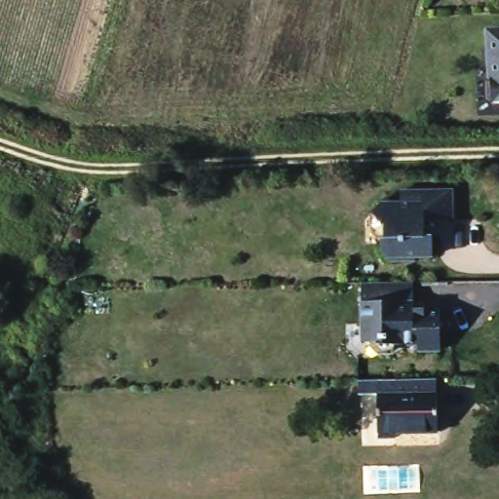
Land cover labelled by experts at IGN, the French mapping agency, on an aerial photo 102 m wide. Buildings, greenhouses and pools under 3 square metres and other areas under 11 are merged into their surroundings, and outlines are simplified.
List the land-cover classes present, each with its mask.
<instances>
[{"label":"herbaceous vegetation","instance_id":"1","mask_svg":"<svg viewBox=\"0 0 499 499\"><path fill-rule=\"evenodd\" d=\"M442 4H470L472 12H446L444 16H439L433 10L423 12V6L429 4V0H419L411 27L415 41L407 60V72L403 74V86H400L398 94V109L394 113L405 121L409 115L427 109L433 101L450 103L454 97L464 94L476 99L474 72H462L456 66L458 58L468 55L481 58L485 62L483 31H489V27L499 25V0H441ZM21 195H29L33 199V211L27 216H19L18 212L14 211L18 207ZM84 220L72 214L62 201H58V191H55L51 183H45L43 189H37L29 177H23V172L16 168L0 172V253L16 255L31 265L35 257L41 255L39 242L45 236L47 224L53 228V234H60V248H68L78 238ZM464 181L454 183V216L464 220L470 226V230H483L485 238L481 242L487 251L499 255V183L489 173L481 175L478 170L462 168ZM396 187L392 185V181L376 185L372 187L365 183L361 191H353L345 183L339 187H324L320 183V187L294 185L283 189L253 185L240 191L234 187L228 197L209 201L199 207H191L185 203L183 187L173 197H154L148 199L146 205H138L134 203L131 193H121L119 185H111V197H97L99 218L90 236L80 238V244H84L92 253V261L88 267L90 273L103 275L107 279H134L138 287L133 290L119 288L101 292V296L109 302L105 314L86 312L60 335V374L68 384H86L96 378H105L111 384L119 378L142 380L148 376L152 382H173L193 378L203 380L207 376H212L214 380L226 378L230 386L222 390L164 388L158 392H154L152 388L136 390L133 386L119 390L101 388L90 392H68L58 388L55 390L57 446H49L37 460L39 466L35 481L47 489L45 499H499V464L481 468L472 460L470 442L474 437V429L480 423L476 417L468 413V407L474 405L472 390L448 386L444 378H472L476 376V370H462L460 365L452 368L450 361L439 359L437 353L400 351V347L394 345L392 349L384 351L382 357H363L351 353L347 347L345 327L357 324V298L361 296L363 288L357 281L345 287L343 290H331L326 287L304 288L300 283V290L294 292L288 285L253 288L251 283L259 275H277L292 279H335L337 259H345L347 263L349 257L357 253L361 255L363 265L374 267V273H394L403 277V281L407 283H419L423 287L435 281L442 283L452 269H448L442 263V255L425 257L421 265L394 263L382 253L378 242H365V218L374 214L376 205H380L388 197L390 191H394ZM207 275H220L224 281H236L238 288L211 285L207 290H187L185 285L166 287L162 283V277L191 279ZM409 365L415 366L417 370H435V378L437 390L431 392L435 402L433 409H437V421L442 429L448 431V439L435 446H365L361 439V431H357L355 435L339 433L333 439L320 437L318 442L294 435V431L288 425V417L294 413L296 403L300 400H318L326 392L322 386L310 390L298 384L288 386L275 382H267L263 388L240 386L236 384V378H294L318 374L341 376L353 374L357 370L359 378H380L384 372H400ZM411 464L419 466V491L365 493V466Z\"/></svg>","mask_w":499,"mask_h":499},{"label":"agricultural land","instance_id":"2","mask_svg":"<svg viewBox=\"0 0 499 499\"><path fill-rule=\"evenodd\" d=\"M419 0H0V97L25 107H37L43 113L68 121L74 129H80V125H103L121 129L134 125H158L170 129H197L211 131L212 127H222V131L228 134L230 129H242L246 123H255L257 131L279 117H292L296 113H394L398 109V94L400 86H403V74L407 72V60L415 41L411 27Z\"/></svg>","mask_w":499,"mask_h":499},{"label":"brushwood","instance_id":"3","mask_svg":"<svg viewBox=\"0 0 499 499\"><path fill-rule=\"evenodd\" d=\"M433 10L439 16H444L446 12H472L470 4H442L441 0H429V4L423 6V12ZM197 129H170L158 125H134L121 129L103 125H80V129H74L68 121L43 113L37 107H25L0 97V136L64 158L86 162L140 164L152 160L158 152L170 154L172 150L173 144L185 142L195 134ZM405 121L407 123L402 129H396L390 121H386L376 133L368 129V125L359 123L347 125L343 131H333L329 121H322L320 129L306 127L302 131L292 117H279L257 131L253 133L251 148V154L255 156L271 152L322 150L365 152L368 146L390 148L394 152V148L499 146V129H442L429 121L427 109L409 115ZM16 168L23 172V177H29L37 189H43L45 183H51L55 191H58V201H62L72 214L84 220L78 238H80L90 236L99 218L97 197H111V185H105V179L109 175L60 172L55 168L31 164L6 152H0V172ZM462 168L478 170L481 175L489 173L499 183V152H495L493 158L481 160L392 162L386 172L376 173V185L392 181V185L396 187L394 191L411 187L415 183H454L464 181ZM339 162L320 164L316 166V173H302L296 179H290L285 172L271 173L267 181L255 177L248 170L238 175L234 187L240 191L253 185L283 189L294 185L320 187V183L324 187H339L345 183L339 173ZM347 277V263L345 259H337L335 279H292L277 275H259L251 283L253 288L288 285L294 292L300 290V283L304 288L326 287L331 290H343L345 287L343 281ZM499 281V273H460L452 269L442 283ZM162 283L166 287L185 285L187 290H207L211 285L238 288L236 281H224L220 275H207L191 279L162 277ZM138 287L134 279H107L97 290L101 292L119 288L133 290ZM435 370H417L415 366L409 365L400 372H384L380 378H435ZM267 382H275L288 386L298 384L310 390L322 386L326 392L351 390L357 388L359 378L357 370L353 374L341 376L318 374L294 378H236V384L240 386L263 388ZM133 386L136 390L152 388L154 392H158L164 388L222 390L230 386L226 378L214 380L212 376H207L203 380L193 378L173 382H152L148 376L142 380L119 378L111 384L105 378H96L86 384H68L60 374L58 388L68 392H90L101 388L119 390ZM448 386L472 390L476 384L472 378H444ZM19 425V415L18 409L4 394V384L0 382V429L10 427V431H14ZM39 466L37 460H19L10 450L8 442L0 437V499H45L47 489L35 481Z\"/></svg>","mask_w":499,"mask_h":499},{"label":"deciduous trees","instance_id":"4","mask_svg":"<svg viewBox=\"0 0 499 499\"><path fill-rule=\"evenodd\" d=\"M456 66L462 72H474L483 68L485 62L481 58L468 55L458 58ZM302 131L306 127L320 129L322 121H329L333 131H343L347 125L359 123L368 125V129L376 133L386 121H390L396 129H402L407 123L405 121L394 113H296L292 117ZM253 133L257 131L255 123H246L242 129H230L228 134L222 131V127H212L211 131L197 129L195 134L201 140H209L214 136L220 144L251 148ZM238 175L234 170H220L218 164H205V160L183 166L179 156L172 150L170 154L158 152L152 160L140 164L138 168H133L129 175H109L105 179V185H119L121 193H131L134 203L138 205H146L148 199L154 197H173L183 187L185 203L191 207H199L209 201L228 197L234 187ZM14 211L18 212L19 216H27L33 211V199L29 195H21L18 207ZM31 265L35 269V275L47 279V287L43 288L37 300H33L25 308V322H12L8 326L0 322V355L6 357L10 363L19 365L21 357L16 353V345L25 347L27 353L35 351V343L39 337H43L45 324L51 316L58 314L53 294L57 290L58 279L53 269L47 267L45 255H41L35 257ZM439 359L450 361L452 368L460 365L462 370H476V376L472 378L476 384L472 390L474 405L468 407V413L476 417L480 423L474 429V437L470 442L472 460L481 468L499 464V312L493 314L491 322H483L480 327L472 326L456 345L441 349L437 353ZM363 411L359 396L351 394V390L326 392L318 400H300L296 403L294 413L288 417V425L294 431V435L318 442L320 437L333 439L339 433L355 435L357 431H361Z\"/></svg>","mask_w":499,"mask_h":499},{"label":"building","instance_id":"5","mask_svg":"<svg viewBox=\"0 0 499 499\"><path fill-rule=\"evenodd\" d=\"M485 62L483 68L474 72L476 99L481 103V109L487 111V115H499V25L489 27V31H483ZM384 226L382 238L378 242L382 253L394 263L421 265L425 257L442 255L446 249L464 248L468 244L481 242L485 238L483 230H470V226L464 220L454 216V183H415L411 187L394 191H390L388 197L380 205H376L374 214ZM357 281L363 288L361 296L357 298V324L361 327L363 341H368L372 345H394L400 347V351L437 353L441 349L439 326H411V322L382 318L380 300L386 294H392L405 287L407 283L403 281V277L394 273H374V267L363 265L361 255L357 253L349 257L347 263V277L343 281L345 287ZM437 390L435 378H359L357 388L351 390V394L359 396L365 392H376V403L380 409L378 437L388 439L405 433H437L442 429L437 421V409H433L435 402L431 392Z\"/></svg>","mask_w":499,"mask_h":499},{"label":"pervious surface","instance_id":"6","mask_svg":"<svg viewBox=\"0 0 499 499\"><path fill-rule=\"evenodd\" d=\"M429 121L442 129H499V115H487V111L481 109V103L476 99L464 94L454 97L450 103L433 101L427 109ZM172 150L179 156L183 166L205 160V164H218L220 170H234L238 175L248 170L255 177L267 181L271 173L285 172L290 179H296L302 173H316V166L320 164L339 162V173L345 183L353 191H361L365 183L372 187L376 185V173L386 172L392 162L481 160L493 158L495 152H499V146L394 148V152L390 148L368 146L365 152L322 150L271 152L255 156L251 154V148L220 144L214 136L209 140H201L195 134L185 142L173 144ZM0 152H6L31 164L55 168L60 172L109 175H129L133 168H138L140 164L86 162L64 158L0 136ZM384 226L374 214L365 218V242H378L382 238ZM442 263L448 269H452L460 273H499V255L487 251L481 242L468 244L464 248L446 249L442 255ZM86 312L105 314L109 302L101 296V292L97 290L82 292Z\"/></svg>","mask_w":499,"mask_h":499},{"label":"coniferous trees","instance_id":"7","mask_svg":"<svg viewBox=\"0 0 499 499\"><path fill-rule=\"evenodd\" d=\"M60 234H53V228L47 224L45 236L39 242L41 255H45L47 267L53 269L58 279L57 290L53 294L58 314L51 316L45 324L43 337H39L35 343V351L27 353L25 347L16 345V353L21 357L19 365L10 363L6 357L0 355V382L4 384V394L18 409L19 415V425L14 431H10V427L0 429V437L8 442L10 450L19 460H37L49 446H57L55 390L58 388L60 374V335L86 312L82 292L97 290L107 279L103 275L90 273L88 267L92 261V253L84 244H80V238H78L68 248H60ZM47 287V279L35 275V269L31 265L16 255L0 253V322L8 326L12 322H25V308L33 300H37L43 288Z\"/></svg>","mask_w":499,"mask_h":499},{"label":"impervious surface","instance_id":"8","mask_svg":"<svg viewBox=\"0 0 499 499\"><path fill-rule=\"evenodd\" d=\"M382 318L411 322V326H439L441 349L456 345L472 326L480 327L483 322H491L493 314L499 312V281L442 283L435 281L423 287L419 283H407L405 287L392 294H386L380 300ZM347 347L351 353L363 357H382L384 351L392 349L394 345H372L368 341H363L361 327L357 324L345 327ZM363 411L361 431V439L365 446H435L448 439V431L442 429L437 433H405L388 439L378 437L380 409L376 403V392H365L359 396Z\"/></svg>","mask_w":499,"mask_h":499},{"label":"swimming pool","instance_id":"9","mask_svg":"<svg viewBox=\"0 0 499 499\"><path fill-rule=\"evenodd\" d=\"M365 493L419 491V466L411 464L365 466Z\"/></svg>","mask_w":499,"mask_h":499}]
</instances>
